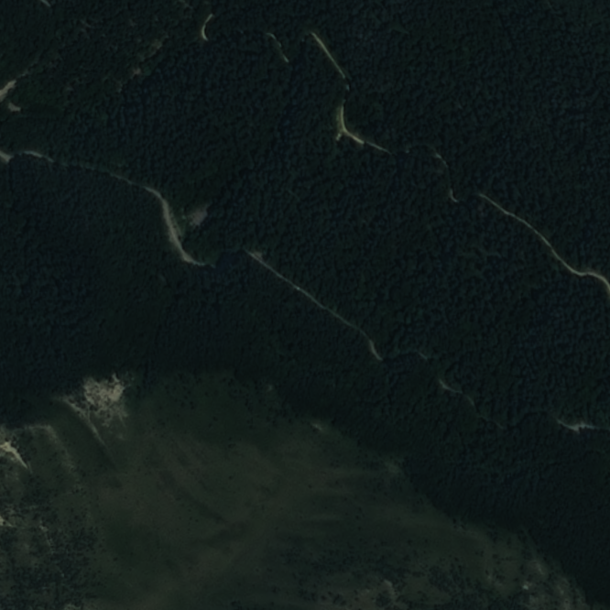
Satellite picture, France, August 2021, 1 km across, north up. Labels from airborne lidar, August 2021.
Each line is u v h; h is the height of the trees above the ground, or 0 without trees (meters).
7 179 20
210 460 0
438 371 25
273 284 25
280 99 30
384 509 0
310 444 0
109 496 0
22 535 0
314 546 0
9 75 12
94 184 16
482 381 12
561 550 11
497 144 17
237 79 23
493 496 19
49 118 21
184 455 0
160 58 23
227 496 0
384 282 23
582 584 12
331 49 6
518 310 28
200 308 16
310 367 15
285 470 0
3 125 22
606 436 15
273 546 0
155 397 0
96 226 22
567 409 26
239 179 25
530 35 29
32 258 25
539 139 22
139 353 20
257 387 7
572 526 20
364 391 16
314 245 23
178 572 0
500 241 28
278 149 22
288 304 18
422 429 18
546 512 12
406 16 23
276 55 18
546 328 28
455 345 20
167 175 21
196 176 27
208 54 16
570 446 19
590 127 19
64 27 26
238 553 0
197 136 26
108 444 0
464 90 16
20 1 24
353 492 0
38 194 16
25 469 0
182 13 25
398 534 0
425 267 19
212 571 0
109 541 0
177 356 19
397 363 19
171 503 0
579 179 11
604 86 23
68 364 22
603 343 33
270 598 0
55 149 22
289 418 8
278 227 28
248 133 27
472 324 21
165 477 0
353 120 14
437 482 12
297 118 31
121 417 0
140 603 0
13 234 21
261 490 0
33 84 20
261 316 18
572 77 26
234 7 24
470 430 22
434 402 18
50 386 10
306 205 20
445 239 20
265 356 19
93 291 20
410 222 26
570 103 28
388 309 22
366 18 31
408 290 32
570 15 10
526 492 17
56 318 22
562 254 13
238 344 19
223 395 0
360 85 24
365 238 22
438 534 0
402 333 23
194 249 23
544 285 18
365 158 25
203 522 0
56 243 21
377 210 19
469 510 13
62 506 0
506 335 25
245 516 0
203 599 0
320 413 18
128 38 25
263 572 0
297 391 12
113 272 17
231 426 0
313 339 26
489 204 10
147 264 17
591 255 30
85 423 0
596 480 22
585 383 25
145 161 15
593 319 32
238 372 11
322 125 24
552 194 8
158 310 13
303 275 21
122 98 20
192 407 7
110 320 16
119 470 0
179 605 0
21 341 20
